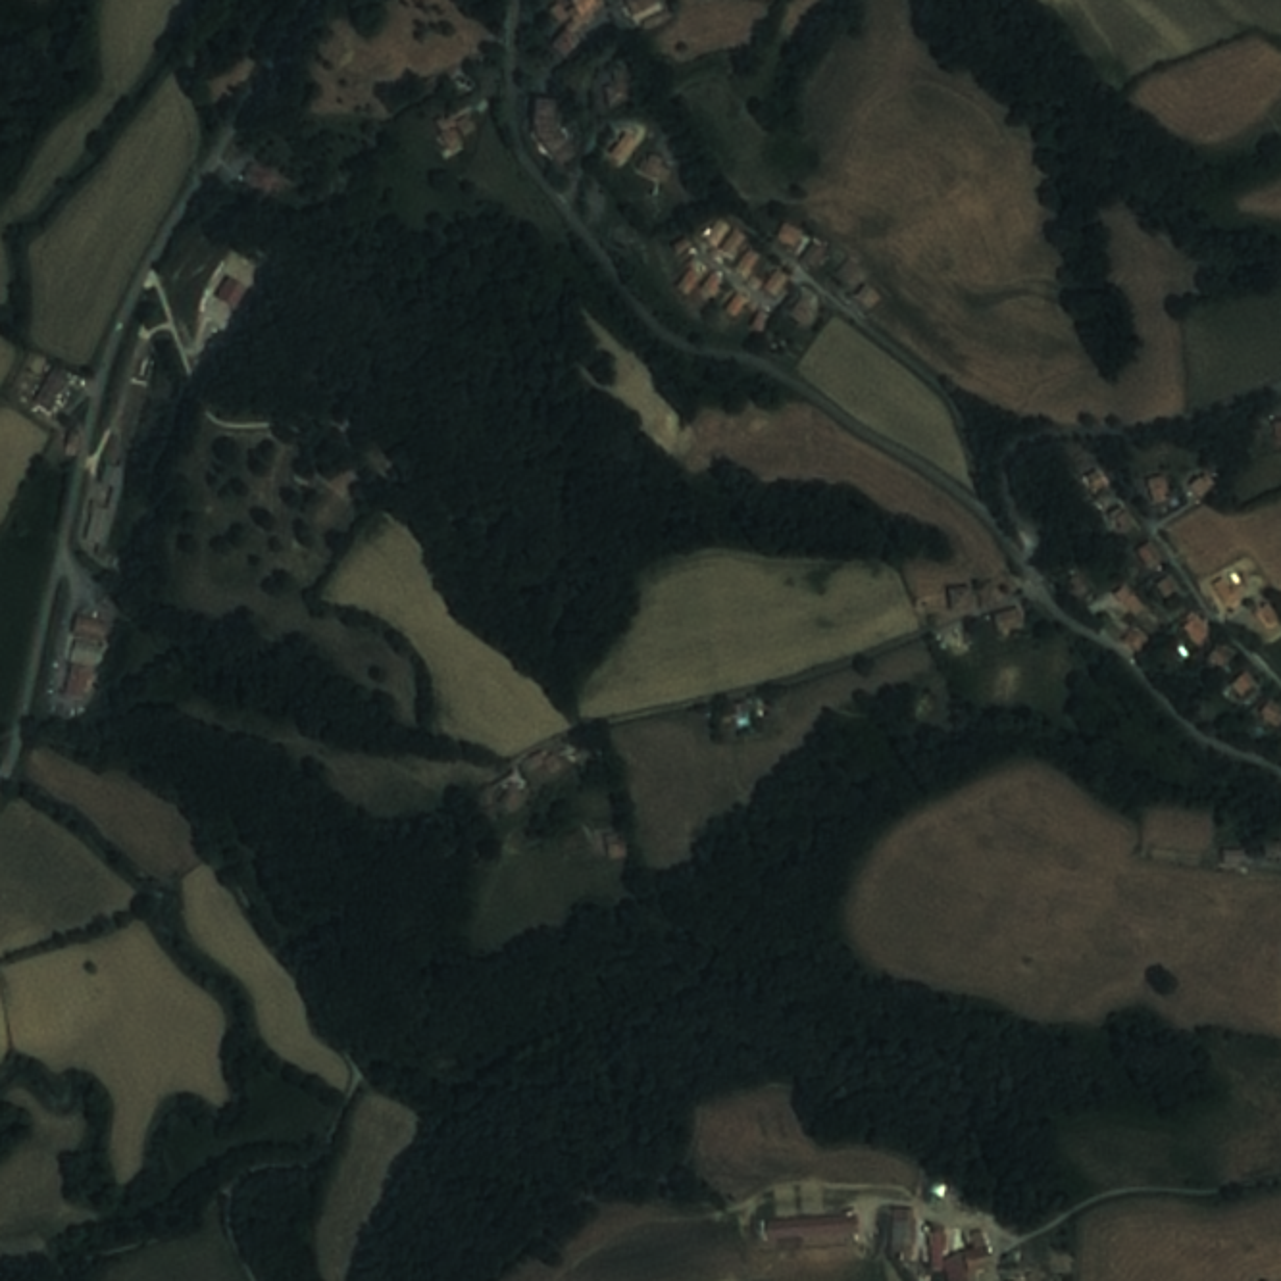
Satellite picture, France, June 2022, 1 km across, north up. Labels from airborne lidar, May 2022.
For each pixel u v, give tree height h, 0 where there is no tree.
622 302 12
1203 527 0
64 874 0
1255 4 0
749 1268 0
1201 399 0
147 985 0
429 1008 15
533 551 26
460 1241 14
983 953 0
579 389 16
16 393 0
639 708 0
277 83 15
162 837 0
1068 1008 0
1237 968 0
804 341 0
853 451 0
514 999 21
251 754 21
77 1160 18
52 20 6
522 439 19
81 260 0
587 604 18
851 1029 24
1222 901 0
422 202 0
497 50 16
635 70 13
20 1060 11
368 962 18
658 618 0
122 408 0
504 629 21
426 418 22
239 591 0
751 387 13
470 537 19
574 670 18
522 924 0
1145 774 12
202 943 0
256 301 22
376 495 19
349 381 22
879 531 23
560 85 6
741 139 0
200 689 12
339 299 26
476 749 13
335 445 19
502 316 18
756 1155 0
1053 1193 8
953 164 0
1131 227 0
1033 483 11
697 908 29
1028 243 0
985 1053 24
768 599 0
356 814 17
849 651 0
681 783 0
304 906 26
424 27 12
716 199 17
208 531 0
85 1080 9
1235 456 18
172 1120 7
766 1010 27
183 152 0
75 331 0
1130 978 0
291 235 24
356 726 23
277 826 22
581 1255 0
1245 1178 0
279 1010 0
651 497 26
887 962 0
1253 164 10
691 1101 16
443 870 21
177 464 16
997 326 0
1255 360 0
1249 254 26
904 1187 0
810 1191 0
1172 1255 0
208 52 13
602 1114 22
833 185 0
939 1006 24
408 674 0
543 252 8
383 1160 0
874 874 0
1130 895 0
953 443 0
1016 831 0
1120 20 0
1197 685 8
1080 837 0
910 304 0
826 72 0
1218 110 0
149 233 0
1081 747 26
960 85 0
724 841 17
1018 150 0
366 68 0
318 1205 15
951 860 0
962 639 0
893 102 0
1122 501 11
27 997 0
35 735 15
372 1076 20
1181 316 14
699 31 0
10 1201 0
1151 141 25
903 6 0
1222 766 13
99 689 9
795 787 26
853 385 0
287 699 23
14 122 14
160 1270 0
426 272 20
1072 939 0
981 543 0
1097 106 30
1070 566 13
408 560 0
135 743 21
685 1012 24
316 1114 0
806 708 0
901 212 0
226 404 19
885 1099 24
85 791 0
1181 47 0
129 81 0
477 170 0
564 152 0
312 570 0
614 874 0
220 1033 0
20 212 0
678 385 21
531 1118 20
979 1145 21
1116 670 19
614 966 33
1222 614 0
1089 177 25
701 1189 14
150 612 21
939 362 0
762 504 28
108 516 0
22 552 0
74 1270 13
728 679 0
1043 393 0
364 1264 21
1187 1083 22
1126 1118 0
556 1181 19
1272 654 0
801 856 32
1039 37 28
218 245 16
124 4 0
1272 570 0
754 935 29
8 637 0
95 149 11
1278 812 24
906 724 24
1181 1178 0
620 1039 20
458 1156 20
